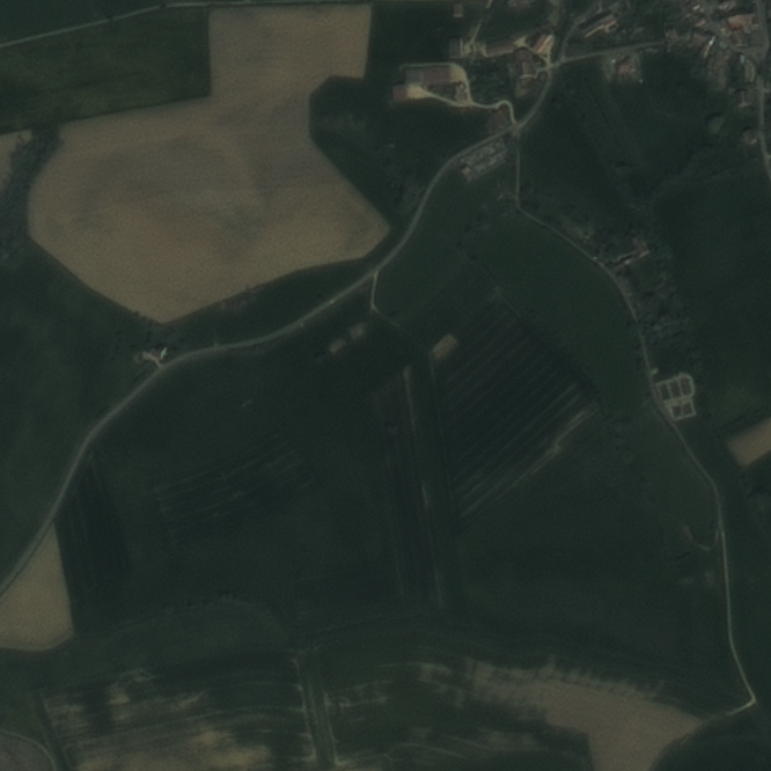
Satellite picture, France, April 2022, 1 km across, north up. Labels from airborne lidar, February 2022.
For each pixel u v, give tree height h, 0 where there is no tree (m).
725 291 0
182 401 0
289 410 0
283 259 0
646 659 0
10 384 0
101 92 0
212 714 0
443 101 0
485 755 0
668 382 0
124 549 0
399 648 0
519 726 0
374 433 0
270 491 0
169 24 0
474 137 0
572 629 0
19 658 0
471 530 0
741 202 0
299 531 0
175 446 0
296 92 0
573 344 0
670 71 0
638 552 0
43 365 0
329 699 0
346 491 0
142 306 0
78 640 0
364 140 0
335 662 0
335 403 0
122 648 0
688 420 0
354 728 0
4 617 0
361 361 0
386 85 0
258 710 0
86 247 0
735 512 0
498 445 0
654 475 0
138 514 0
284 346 0
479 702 0
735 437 0
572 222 0
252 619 0
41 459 0
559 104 12
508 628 0
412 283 0
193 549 0
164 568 0
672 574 0
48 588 0
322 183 0
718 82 7
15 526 0
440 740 0
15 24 0
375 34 0
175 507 0
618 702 0
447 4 0
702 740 0
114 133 0
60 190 0
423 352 0
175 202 0
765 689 0
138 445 0
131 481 0
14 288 0
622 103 0
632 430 0
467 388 0
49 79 0
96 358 0
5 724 0
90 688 0
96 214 0
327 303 0
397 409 0
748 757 0
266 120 0
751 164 0
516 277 0
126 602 0
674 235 0
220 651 0
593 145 0
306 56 0
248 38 0
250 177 0
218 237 0
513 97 0
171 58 0
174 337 14
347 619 0
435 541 0
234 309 0
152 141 0
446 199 0
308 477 0
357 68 0
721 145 9
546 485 0
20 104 0
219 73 0
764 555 0
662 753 0
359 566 0
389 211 0
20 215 20
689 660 0
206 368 0
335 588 0
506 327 0
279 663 0
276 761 0
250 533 0
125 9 0
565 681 0
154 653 0
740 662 0
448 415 0
